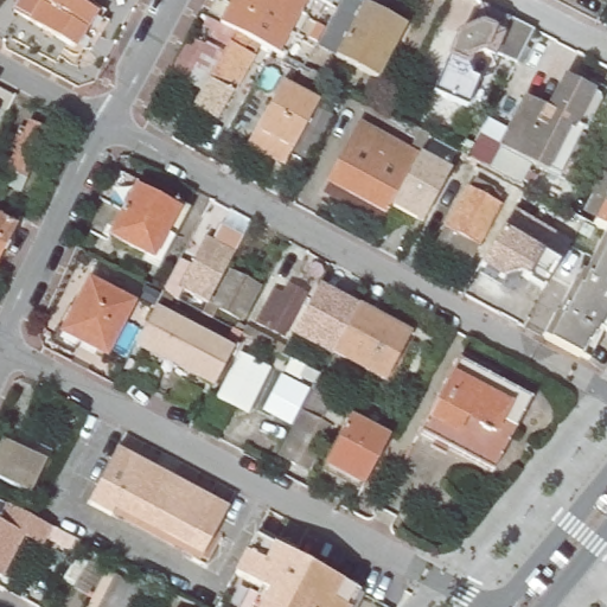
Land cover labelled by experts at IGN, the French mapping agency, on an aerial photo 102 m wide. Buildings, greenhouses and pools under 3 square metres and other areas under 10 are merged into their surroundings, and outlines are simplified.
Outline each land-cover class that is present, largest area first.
<instances>
[{"label":"impervious surface","instance_id":"1","mask_svg":"<svg viewBox=\"0 0 607 607\"><path fill-rule=\"evenodd\" d=\"M92 5H97L100 17L92 19L90 36L74 40L62 31L43 24L26 9H21L19 0H0V107H12L17 92L31 97H43L50 102L59 100L62 109L76 116L81 126L92 128L83 145V152L66 164L47 211L43 213V218L33 221L28 230H14L12 242L17 251L9 258V263L14 266V275L9 289L0 296V398L7 396L14 384L21 386L19 413H26L33 398V386L40 377L45 386L62 396L78 398L81 408L90 413L64 469L59 472L52 510H40L38 517L57 526L64 536H74L76 541H81L83 545H92L95 550L116 552L126 564L140 567L142 571L164 579H171L173 586L187 590L194 586L213 590L216 607H235L232 598L239 588L254 593L251 607H261V586L237 579V562L244 555V550H249L247 541L258 529L273 538H280L313 555L315 560L330 564L332 569L356 581L360 588L358 595L351 598V607H607V332L593 349V353H588L552 332H545V315L552 304L562 306V313L567 311V306H571L569 289L581 263L576 254H569L560 270L562 277H548L545 289H538L531 282H526L522 273H510L505 280L498 282L486 275H477V280L469 287L460 292L432 285L413 268L417 247H410L405 261H398L396 254L403 247L405 232L415 230L420 223L413 218L405 228L394 230L384 237L382 247H372L370 242L320 218L318 206L301 192L294 202L287 204L280 199L277 187L282 185V164H275L270 183L266 187H258V183H242L228 164H218L213 159V147L218 145L221 133L237 130L249 135L254 133L256 116L247 114L249 121L235 119L232 126H228L221 119H216L209 140L204 145L192 147L175 138V128L171 123H161L145 116V109L152 102V92L159 85V78L168 69L180 66V52L202 38V33L211 26L213 19L221 21L218 12H225L232 0H90ZM138 152L164 164V168L171 175L194 180L199 185L197 202L185 204L175 216V232H166L161 247L142 256V261L152 266V273L159 270L168 254L178 261H192V256L187 254L190 242L197 239L204 244L206 232L211 228H242L244 232L254 213H263L268 228L289 237V247L282 249V256L280 261H275L273 273H282L285 282H294L306 294L313 285H320L325 280L327 285L365 301L368 306H375L382 313L410 325V337L427 341V332L415 327L417 322L413 320V315L403 313L401 308L382 299V292L389 285H394L398 294L413 296L417 306L434 311V315L443 322L453 320L458 334L443 363L439 365L424 396L405 434L401 439L391 434L384 439L382 458L386 462H396L403 467L413 465L410 477L398 486L386 510H377L370 505L368 481H363L349 469H341L339 465L327 467V472L339 484H356L360 496L356 512L337 498H313L308 486L301 484L304 477L311 474V472L301 462H294L292 467L282 479H268L256 474V467H242L239 460L244 455V441H256L261 434H273L277 439L285 436V429L266 424V417L270 413L266 410V403L280 377L299 382L306 389H318L315 368H308L306 363L287 353L289 339L296 334L292 327L282 332L273 322L261 320L258 315L266 308L263 301H256L251 311H230L228 304L213 294L206 304H192L190 294H180V299L166 294L161 306L194 320L197 325L225 337L228 341H235L228 349L230 358H225L218 377L211 384L204 382L206 389L213 386L221 391L235 365V356L239 351L249 353L256 339H270V344L275 346V363H268V377L263 379L251 410L237 408L225 434L211 436L194 429L192 424H185V410L168 408V401L161 394H156L145 396L135 386H130L128 391H116L109 379V363H104L102 356L97 353V346L71 332H64L62 327V320H66L71 313V301L95 275L97 268L92 261L83 266L76 258L78 247L62 244L59 237L66 225L76 221V199L92 190L90 171L95 164L111 159L121 161L123 166H130V154ZM31 308L50 318L43 334L26 332ZM469 330L484 332L488 339L507 346L510 356L524 360L536 370L548 368L545 375L562 384V389L576 386L579 403L567 415V420L562 422L552 415V408L538 394L536 382L526 379L524 375L500 365L498 360L474 349L465 351V339ZM469 358L531 391L515 434L503 446V465L507 467L529 446L533 432L548 427V422L557 424L555 436L533 453L519 479L507 488L491 507V512L484 517V522L472 531V536H467L462 545L453 552L436 555L401 541L396 533V524L403 522V500L408 491L417 488L420 496L434 500L441 496L443 503H451V491L443 477L453 465L460 462L448 446H441V441H424L420 432L427 429V420L436 424L441 422V415L436 413L441 403V389L453 377L458 365H465V360ZM116 448H130L142 458L171 469L173 474L206 488L209 493L223 500H232L223 510V519L211 533L206 550L171 548L164 541L152 538L149 533L130 526L128 522H123V517H109L90 507V496L95 491L92 469H107ZM552 552L567 555L564 571L555 576L543 593H531L529 579H538V562H548ZM443 0H427V14L422 24H410L398 36L403 43H413L417 47L427 36ZM484 7L469 9L460 0H453V7L441 31L436 33L432 50L436 57L443 50L453 47L460 28L469 17H491L503 28H512V24H517L529 31V38H524L519 55L512 59L507 69L510 83L498 102V111H510L515 100H524L529 90L531 95L550 102L552 97L543 83L548 78H562L569 69L593 81L602 92L607 90V0H600V12L588 14L581 5L564 7L555 0H481ZM327 21V17L315 14V9L306 2L296 19L294 33L289 36V40L277 45L285 50V57H275L258 50L256 59L249 64V71L254 74H261L263 69H275L277 76L289 78L296 85L313 92L315 69H311L306 62L325 64L330 59L327 47L320 43L322 24ZM472 66L479 74L474 88L486 92L493 78L498 76V69L488 64L486 55L474 57ZM462 107V102L453 95H436L434 107L424 111L420 121H429L434 114H439L446 123H451L453 114ZM330 116L318 104L301 138L289 152V161H299L306 156L308 147L318 140ZM365 123L379 128L382 133L405 142L417 152L427 149L451 161V168L446 173L448 187L446 192L436 194V211L427 223L429 232L432 237L441 235L443 242L453 244L455 249L469 256H479V261L488 256L500 235H505L512 228L510 216L515 213L517 204L531 213H548L581 235L588 237L595 230H600L595 221H588L583 216L569 218L555 213L545 204L533 206L524 202V183L496 173L491 161H479L477 156H472V140L462 142L460 154L455 149L443 147L436 140H429V133L417 126L403 123L398 119H391V123H386L368 114H363ZM465 187L484 190L498 202H505L496 221V228L488 235V242L479 249L474 247V242L451 237L441 228L443 218L453 209L458 192ZM140 180L128 173H119L114 187L102 194V206L95 216L90 232L97 237V249L107 254H116L123 258L133 256L135 251L121 239H111L109 223L116 218V211H126L128 187L138 185ZM602 204H607V173L605 180L593 187L586 202V209L595 216ZM138 337V327L133 325L123 327L119 337V351L128 370L133 368L135 372L159 375L161 384L171 386L175 377L190 375L183 365H178L173 372H164L159 358H154L145 349L138 351L133 341ZM330 417L334 427L320 432L332 446L339 436V429L349 427V420L344 415H337L332 410ZM71 586L66 607H85L81 605V598H92L102 576L97 567L88 560L74 562L64 576ZM45 581L33 583L24 595L14 593L9 590V567L0 562V607H43Z\"/></svg>","mask_w":607,"mask_h":607},{"label":"building","instance_id":"2","mask_svg":"<svg viewBox=\"0 0 607 607\"><path fill-rule=\"evenodd\" d=\"M21 9H26L43 24L62 31L74 40L90 36L92 19L100 17L97 5H92L90 0H19ZM306 2L315 9V14L327 17V21L322 24L320 43L327 47L330 59H341L351 64L363 78L379 76L386 69L396 45L403 43L398 36L410 24L408 19L394 12L398 0H232L225 12H218L221 21L213 19L211 26L202 33V38L180 52V66L192 74V81L199 90L197 104L216 119H221L228 126H232L235 119L249 95V83L254 74L249 71V64L256 59L258 50L275 57H285V50L277 45L289 40V36L294 33L296 19ZM469 9L484 7L481 0H460ZM524 38H529V31L517 24H512V28H503L491 17H469L460 28L453 47L443 50L436 57L441 74L436 83V95H453L462 102V107L484 102L486 92L474 88L479 74L472 66L474 57L486 55L488 64L498 69H507L512 59L519 55ZM552 97L550 102L531 95L529 90L524 100H515L510 111H498L493 119H486V123L474 133L472 140V156H477L479 161H491L496 173L524 183L545 175L550 185H560L564 192H571L567 173L571 154L583 130L593 126V116L602 104V92L593 81L569 69L562 78H548L543 83ZM256 116L254 133L249 135L251 145L266 152L275 164H287L289 161V152L301 138L318 104L320 97L313 92L296 85L289 78L277 76L273 90L263 88L256 95ZM363 114H368L360 102L349 100L344 102L341 114L349 119V123L344 128H334L311 178L301 192L318 206L325 197L346 199L351 194L353 199L377 211H384L398 209L413 218L420 223H427L436 211V194L446 192L448 187L446 173L451 168V161L427 149L417 152L405 142L382 133L379 128L365 123ZM38 128V121L33 119L31 123L19 128L12 149V166L17 178L9 185L17 192L24 190L28 168L24 161V145ZM185 204L140 180L138 185L128 187L126 211H116V218L109 223L111 239H121L135 251L142 256L161 247L166 232H175V216ZM505 202H498L484 190L465 187L458 192L453 209L443 218L441 228L451 237L474 242V247L479 249L488 242V235L496 228V221ZM512 228L505 235H500L488 256L479 261L477 275H486L498 282L505 280L510 273H522L526 282H531L538 289H545L548 277H562L560 270L569 254L581 235L548 213H531L517 204L515 213L510 216ZM600 230L605 232L602 237H595L593 266L581 263L569 289L571 306H567V311L562 313V306L552 304L545 315V332H552L588 353H593V349L607 332V204H602L595 216V221ZM33 221L12 216L0 218V254L9 258L17 251L12 242L14 230H28ZM244 239V232L242 228H211L206 232L204 244L197 239L190 242L187 254L192 256V261H178L164 289L154 285H142V294L133 296L130 292L95 275L71 301V313L66 320H62V327L64 332H71L97 346V353L102 356L109 351H119V337L123 327L133 325L138 327V337L133 341L138 351L145 349L154 358H159L164 372H173L178 365H183L190 375L204 382L211 384L218 377L225 358H230L228 349L235 341H228L225 337L197 325L194 320L161 306L166 294L180 299V294H190L192 304H206L213 294L228 304L230 311H251L256 301H263L266 308L258 315L261 320L273 322L282 332L292 327L296 334L327 349L334 356L353 360L382 379H389L394 372L401 360L403 346L410 337V325L382 313L375 306H368L365 301L327 285L325 280L320 285H313L306 294L294 282H285L282 273H273L263 285L230 266L235 251ZM268 377V363H256V358L249 353L239 351L235 356V365L221 391L218 398L237 408L251 410L263 379ZM531 391L469 358L465 360V365H458L453 377L441 389V403L436 413L441 415V422L436 424L427 420V429L420 432L424 441H441V446H448L460 462H469L491 472L507 467L503 465V446L515 434ZM266 410L270 413L266 417V424L285 429V436L277 439L273 434H261L256 441L266 448L287 458L292 467L294 462H301L311 472L315 465V455L308 451V446L313 436L320 432L334 427L330 417L332 410L325 405L318 389H306L299 382L280 377L266 403ZM349 420V427L339 429V436L332 446L325 462L327 467L339 465L341 469H349L363 481H368L382 458L384 439L391 434L386 427L377 424L365 415H344ZM47 465V458L12 439L0 441V481L17 488H33L40 472ZM95 491L90 496V507L109 517H123V522H128L130 526L149 533L152 538L164 541L171 548L206 550L211 533L223 519V510L232 500H223L209 493L206 488L173 474L171 469L142 458L130 448H116L107 469H92ZM26 538H36L43 543L52 541L55 548H74L76 541L74 536H64L57 526L38 517L14 503H5L0 507V562L9 567ZM249 550H244V555L237 562V579L261 586V607H351V598L358 595L360 588L356 581L332 569L330 564L315 560L313 555L280 538H273L258 529L247 541ZM135 595L133 586L114 574L102 576L92 598H81V605L85 607H128L130 598ZM235 607H251L254 593L239 588L232 598Z\"/></svg>","mask_w":607,"mask_h":607},{"label":"deciduous trees","instance_id":"3","mask_svg":"<svg viewBox=\"0 0 607 607\"><path fill-rule=\"evenodd\" d=\"M394 12L408 19L410 24H422L427 14V0H398ZM311 69H315L313 92L320 97L318 104L330 116L334 111L341 114L344 102L349 100L360 102L368 114L386 123H391V119H398L403 123L417 126L429 133V140H436L443 147L455 149L460 154L462 142L472 140L474 133L486 123V119H493L498 111V102L510 83L507 69H498V76L493 78L486 92L484 102L462 107L453 114L451 123H446L439 114H434L429 121H420L424 111L434 107L436 95V83L441 74L436 57L432 50L420 52L417 47L413 43H403L396 45L386 69L379 76L363 78L351 64L341 59H330L325 64L306 62ZM199 90L192 81V74L180 66L168 69L159 78V85L152 92V102L145 109V116L161 123H171L175 128V138L192 147L204 145L209 140L216 119L197 104ZM607 173V90L602 92V104L593 116V126L583 130L571 154L567 173L571 192H564L560 185H550L545 175L524 183V202L533 206L545 204L555 213L569 218L583 216L588 221H595V216L586 209V202L593 187L605 180ZM28 109L33 119L38 121V128L24 145V161L28 168L24 190L17 192L9 185L17 178L12 166V149L19 128V114L12 107H0V218L12 216L33 221L43 218V213L47 211L66 164L83 152V145L92 128L81 126L76 116L62 109L59 100L50 102L43 97H31ZM213 159L218 164H228L242 183H258V187H266L270 183L275 164L266 152L251 145L249 135L237 130L221 133L218 145L213 147ZM130 166H123L121 161L111 159L95 164L90 171L92 190L76 199V221L66 225L78 232H90L95 216L102 206V194L114 187L119 173H128ZM282 185L277 187L280 199L287 204L294 202L301 192L311 178L287 164H282ZM320 218L370 242L372 247H382L384 237L394 230L389 228L384 211H377L353 199L351 194L346 199L325 197L318 206ZM479 261V256H469L455 249L453 244L443 242L441 235L432 237L429 232L420 239L417 247L413 268L432 285L460 292L469 287L477 280V275ZM14 275V266L9 263V258L0 254V296L9 289ZM50 318L31 308L26 332L43 334ZM104 363H109V379L116 391H128L130 386H135L145 396L156 394L161 384L159 375L135 372L133 368L128 370L119 351H109L102 356ZM318 389L325 405L332 410L337 415H365L377 424L386 427L391 434L401 439L405 434L424 396L394 372L389 379H382L353 360L334 356L315 368ZM292 467L287 458L266 448L256 467V474L268 479H282ZM413 465L403 467L396 462H386L382 458L368 481L370 505L377 510H386L398 486L410 477ZM451 491V503H443L441 496L434 500L420 496L417 488L408 491L403 500V522L396 524V533L401 541L436 555L453 552L462 545L467 536H472V531L484 522V517L491 512V507L507 488L491 477V472L469 462H460L453 465L443 477ZM301 484L308 486L313 498H337L356 512L360 496L356 484H339L327 472L318 477L311 474L304 477ZM88 560L97 567L102 576L114 574L133 586L135 595L130 598L128 607H171L166 602L168 586L164 579L142 571L140 567L126 564L116 552L95 550L92 545H83L81 541H76L74 548H55L52 541L43 543L36 538H26L9 567V590L14 593L24 595L33 583L45 581L43 607H66L71 586L64 576L74 562Z\"/></svg>","mask_w":607,"mask_h":607},{"label":"brushwood","instance_id":"4","mask_svg":"<svg viewBox=\"0 0 607 607\"><path fill-rule=\"evenodd\" d=\"M453 7V0H443L427 36L417 47L420 52L432 50L436 33L441 31ZM263 88L261 74H254L249 83V95L235 119L249 121L247 114L256 116V95ZM349 123V119L341 114L334 111L330 116L318 140L308 147L306 156L299 161H289L287 164L311 178L334 128H344ZM128 173L140 180L185 204L197 202L199 185L194 180L171 175L164 168V164L138 152L130 154V166ZM289 247V237L268 228L263 213H254L244 232V239L235 251L230 266L263 285L273 273L275 261H280L282 256V249ZM429 232L427 223H420L415 230L405 232L403 247L396 254L398 261H405L410 247H417L420 239ZM62 244L78 247L76 258L83 266L92 261L97 268L102 266L116 270L142 285H154L164 289L178 261L168 254L159 270L152 273V266L142 261V256L135 251L133 256L123 258L116 254H107L97 249V237L90 232H78L66 225L59 237ZM382 299L401 308L403 313L413 315V320L417 322L415 327L427 332V341L422 358L434 360L439 365L443 363L458 334L453 320L443 322L434 315V311L417 306L413 296L398 294L394 285H389L382 292ZM474 349L498 360L500 365L524 375L526 379L536 382L538 394L552 408V415L562 422L567 420V415L579 403L576 386L562 389V384L545 375L548 368L536 370L524 360L510 356L507 346L488 339L484 332L469 330L465 339V351ZM287 353L306 363L308 368H315L334 356L327 349L296 334L289 339ZM256 358V363H275V346L270 344V339H256L249 353ZM21 386L14 384L7 396L0 398V441L12 439L47 458V465L40 472L33 488H17L0 481V507L5 503H14L38 517L40 510H52L59 472L64 469L90 413L81 408L78 398L62 396L45 386L40 377L33 386V398L26 413H19ZM557 424L548 422V427L533 432L529 446L507 467L491 472V477L507 488L519 479L533 453L555 436ZM308 451L315 455V465L311 472V474L318 477L327 472V467L325 462L332 446L320 432L313 436L308 446ZM266 448L256 441H244V455L239 460L242 467H256ZM168 586L166 602L171 607H216L213 590L194 586L187 590L173 586L171 579H164Z\"/></svg>","mask_w":607,"mask_h":607},{"label":"herbaceous vegetation","instance_id":"5","mask_svg":"<svg viewBox=\"0 0 607 607\"><path fill-rule=\"evenodd\" d=\"M31 97L17 92L12 107L19 114V128L31 123L33 119L28 109ZM389 228L394 230L405 228L413 218L398 209L384 211ZM605 232L600 230H595L588 237L581 235L569 254H576L581 263L593 266L595 237H602ZM95 275L130 292L133 296L142 294V285L116 270L102 266L97 268ZM427 341L410 337L403 346L401 360L394 372L424 396L439 365L434 360L422 358ZM156 394H161L168 401V408L185 410V424H192L194 429L211 436L225 434L237 408L218 398L221 391L213 386L206 389L204 382L190 375L175 377L171 386L161 384ZM567 555L552 552L548 562H538V579H529L531 593H543L555 576L564 571Z\"/></svg>","mask_w":607,"mask_h":607},{"label":"pervious surface","instance_id":"6","mask_svg":"<svg viewBox=\"0 0 607 607\"><path fill-rule=\"evenodd\" d=\"M564 7L581 5L588 14L600 12V0H555Z\"/></svg>","mask_w":607,"mask_h":607},{"label":"swimming pool","instance_id":"7","mask_svg":"<svg viewBox=\"0 0 607 607\"><path fill-rule=\"evenodd\" d=\"M263 88L273 90L277 76L275 69H263L261 74Z\"/></svg>","mask_w":607,"mask_h":607}]
</instances>
